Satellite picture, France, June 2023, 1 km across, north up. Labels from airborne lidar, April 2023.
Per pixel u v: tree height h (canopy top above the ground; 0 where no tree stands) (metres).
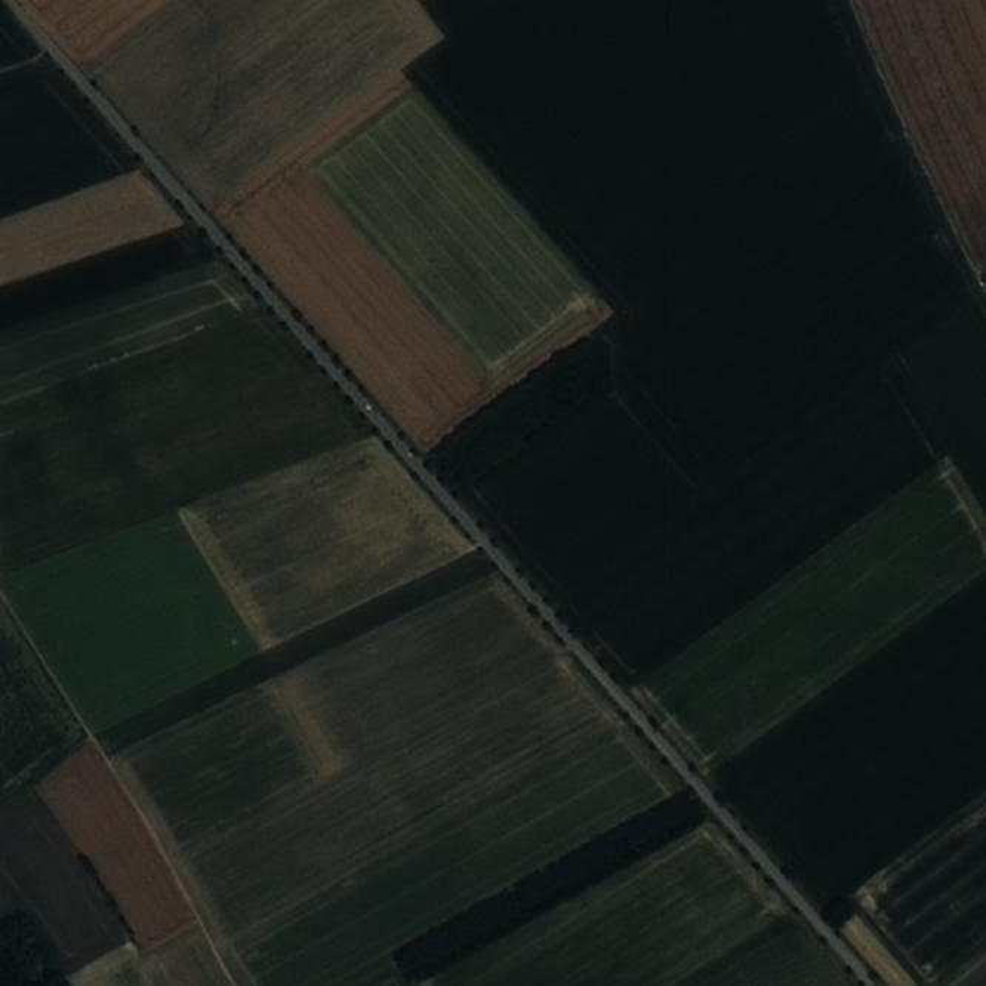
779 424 0
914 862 0
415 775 0
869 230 0
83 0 0
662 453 0
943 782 0
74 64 0
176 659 0
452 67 0
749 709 0
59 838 0
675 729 0
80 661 0
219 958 0
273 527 0
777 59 0
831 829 0
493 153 0
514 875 0
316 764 0
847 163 0
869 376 0
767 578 0
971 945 0
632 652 0
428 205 0
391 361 0
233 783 0
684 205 0
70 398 0
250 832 0
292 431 0
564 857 0
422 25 0
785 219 0
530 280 0
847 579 0
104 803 0
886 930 0
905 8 0
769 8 0
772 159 0
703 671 0
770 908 0
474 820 0
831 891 0
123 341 0
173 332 0
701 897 0
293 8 0
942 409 0
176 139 0
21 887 0
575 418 0
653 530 0
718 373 0
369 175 0
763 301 0
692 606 0
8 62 0
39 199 0
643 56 0
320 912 0
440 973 0
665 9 0
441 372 0
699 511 0
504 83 0
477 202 0
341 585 0
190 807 0
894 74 0
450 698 0
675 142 0
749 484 0
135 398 0
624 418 0
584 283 0
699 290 0
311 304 0
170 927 0
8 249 0
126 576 0
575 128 0
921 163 0
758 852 0
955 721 0
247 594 0
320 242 0
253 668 0
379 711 0
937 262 0
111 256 0
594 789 0
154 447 0
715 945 0
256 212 0
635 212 0
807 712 0
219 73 0
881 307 0
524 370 0
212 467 0
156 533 0
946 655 0
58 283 0
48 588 0
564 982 0
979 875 0
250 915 0
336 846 0
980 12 0
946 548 0
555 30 0
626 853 23
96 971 0
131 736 0
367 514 0
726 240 0
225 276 0
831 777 0
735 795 0
